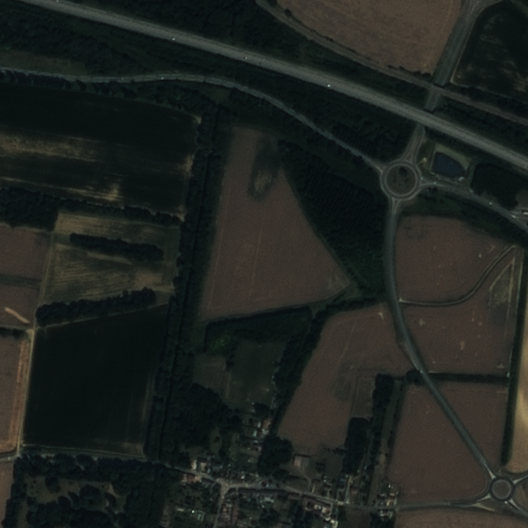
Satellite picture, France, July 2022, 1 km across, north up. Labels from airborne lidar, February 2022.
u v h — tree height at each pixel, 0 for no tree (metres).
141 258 19
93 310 20
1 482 0
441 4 0
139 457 0
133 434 0
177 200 0
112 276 0
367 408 0
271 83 12
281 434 0
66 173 0
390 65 0
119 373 0
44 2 0
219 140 20
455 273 0
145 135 0
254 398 0
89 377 0
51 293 0
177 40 0
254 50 0
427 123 0
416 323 0
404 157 0
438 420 0
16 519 16
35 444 0
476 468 0
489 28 0
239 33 21
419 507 0
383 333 0
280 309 0
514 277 0
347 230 12
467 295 0
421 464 0
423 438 0
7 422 0
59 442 0
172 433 24
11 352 0
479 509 0
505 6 0
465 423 0
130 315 0
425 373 0
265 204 0
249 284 0
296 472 0
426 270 0
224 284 0
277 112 15
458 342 0
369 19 0
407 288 0
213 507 7
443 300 0
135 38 6
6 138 0
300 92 16
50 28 16
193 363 17
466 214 11
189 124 0
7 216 16
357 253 9
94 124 0
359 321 0
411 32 0
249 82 11
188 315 22
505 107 19
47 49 17
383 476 0
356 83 0
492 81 0
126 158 0
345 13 0
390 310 0
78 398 0
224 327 14
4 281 0
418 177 0
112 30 8
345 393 0
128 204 0
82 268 0
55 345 0
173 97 11
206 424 23
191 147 0
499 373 0
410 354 0
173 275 0
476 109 8
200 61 9
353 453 10
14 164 0
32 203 21
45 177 0
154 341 0
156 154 0
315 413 0
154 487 22
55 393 0
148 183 0
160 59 11
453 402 0
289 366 19
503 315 0
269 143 0
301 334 17
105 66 18
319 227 11
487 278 0
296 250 0
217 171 16
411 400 0
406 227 0
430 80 11
